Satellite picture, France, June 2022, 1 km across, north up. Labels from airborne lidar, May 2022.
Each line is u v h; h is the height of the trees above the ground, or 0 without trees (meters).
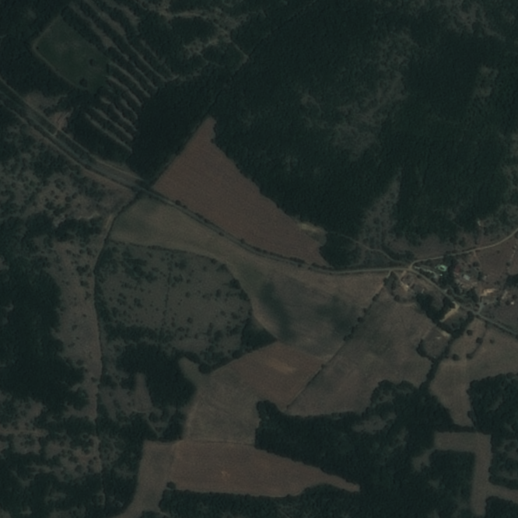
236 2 6
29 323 10
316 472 0
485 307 0
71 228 8
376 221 8
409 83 10
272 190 14
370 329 0
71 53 0
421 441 13
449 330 11
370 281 0
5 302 10
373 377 0
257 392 0
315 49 11
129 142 13
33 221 8
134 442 10
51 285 6
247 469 0
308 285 0
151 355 10
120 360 7
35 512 10
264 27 10
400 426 8
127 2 12
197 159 0
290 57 11
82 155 8
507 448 10
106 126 16
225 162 0
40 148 6
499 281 7
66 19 16
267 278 0
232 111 8
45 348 9
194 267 0
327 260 7
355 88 8
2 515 0
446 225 8
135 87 12
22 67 14
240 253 0
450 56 10
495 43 8
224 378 0
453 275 6
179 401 9
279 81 12
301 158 7
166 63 10
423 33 9
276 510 9
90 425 11
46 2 10
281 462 0
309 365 0
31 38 7
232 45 9
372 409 9
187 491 10
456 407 0
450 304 8
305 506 8
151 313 0
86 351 0
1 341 10
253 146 10
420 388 8
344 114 7
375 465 7
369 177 11
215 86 9
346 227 9
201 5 8
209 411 0
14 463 8
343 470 12
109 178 0
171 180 0
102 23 14
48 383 13
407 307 0
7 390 8
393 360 0
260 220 0
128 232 0
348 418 10
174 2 10
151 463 0
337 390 0
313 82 12
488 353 0
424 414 7
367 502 9
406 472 13
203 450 0
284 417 11
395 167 8
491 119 6
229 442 0
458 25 7
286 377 0
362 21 12
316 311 0
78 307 0
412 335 0
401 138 10
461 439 0
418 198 8
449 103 11
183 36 9
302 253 0
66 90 8
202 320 0
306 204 8
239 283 9
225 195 0
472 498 0
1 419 10
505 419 14
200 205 0
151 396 10
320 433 15
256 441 9
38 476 11
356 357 0
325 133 9
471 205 9
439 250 0
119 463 7
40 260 8
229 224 0
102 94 17
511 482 9
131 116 17
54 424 8
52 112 7
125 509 7
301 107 12
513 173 6
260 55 12
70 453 6
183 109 14
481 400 12
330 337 0
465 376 0
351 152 10
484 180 10
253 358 0
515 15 6
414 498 12
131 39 15
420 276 8
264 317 0
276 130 10
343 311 0
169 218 0
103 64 0
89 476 7
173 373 11
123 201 0
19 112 6
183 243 0
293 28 12
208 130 0
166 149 16
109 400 0
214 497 11
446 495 9
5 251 8
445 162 10
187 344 0
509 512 7
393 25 8
